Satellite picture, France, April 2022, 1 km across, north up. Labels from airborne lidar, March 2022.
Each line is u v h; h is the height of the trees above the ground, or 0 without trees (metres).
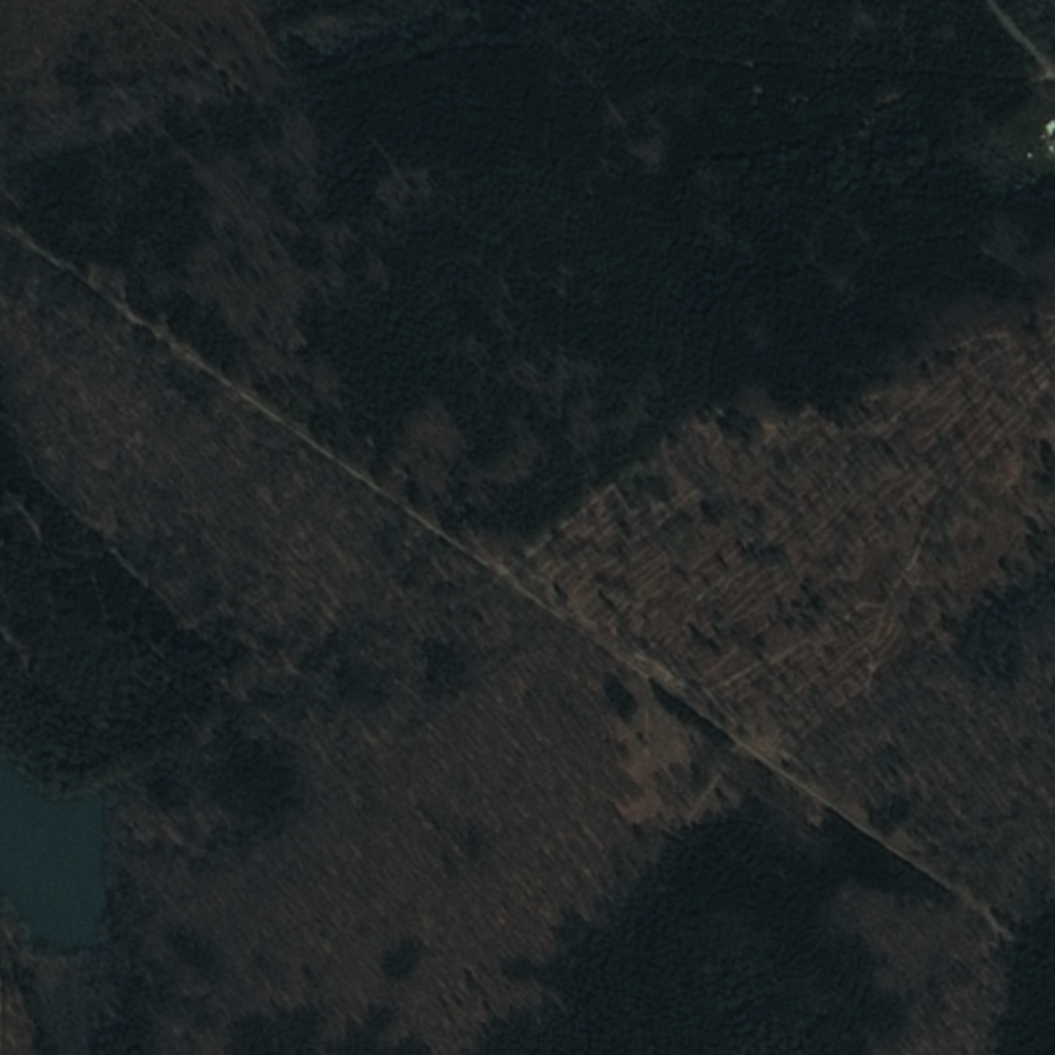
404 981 18
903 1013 22
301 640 27
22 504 30
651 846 26
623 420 20
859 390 22
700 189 24
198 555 27
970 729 32
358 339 27
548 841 26
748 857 17
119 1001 22
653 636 0
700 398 25
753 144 17
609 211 20
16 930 23
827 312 20
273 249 21
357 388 23
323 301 21
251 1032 21
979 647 27
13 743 29
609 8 21
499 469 17
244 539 29
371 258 25
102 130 23
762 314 19
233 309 17
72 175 25
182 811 20
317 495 26
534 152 20
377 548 25
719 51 20
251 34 17
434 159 20
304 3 23
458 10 20
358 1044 21
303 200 25
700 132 20
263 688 25
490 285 20
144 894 17
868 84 14
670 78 18
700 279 24
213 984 22
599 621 0
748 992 25
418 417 18
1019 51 25
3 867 0
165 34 11
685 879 16
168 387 25
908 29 17
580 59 17
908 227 23
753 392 18
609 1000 29
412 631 31
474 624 29
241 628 19
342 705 26
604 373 19
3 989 6
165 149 22
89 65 10
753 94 9
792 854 15
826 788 29
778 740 0
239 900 24
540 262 20
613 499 0
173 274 25
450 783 26
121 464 26
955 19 24
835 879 16
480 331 19
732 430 17
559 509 21
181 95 25
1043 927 20
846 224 20
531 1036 25
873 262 24
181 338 25
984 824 28
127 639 34
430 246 21
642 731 0
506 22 17
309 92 25
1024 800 31
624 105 18
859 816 0
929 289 17
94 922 0
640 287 27
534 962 23
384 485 28
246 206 23
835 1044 22
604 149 20
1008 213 26
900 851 0
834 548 0
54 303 25
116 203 21
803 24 21
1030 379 0
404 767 24
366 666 29
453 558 27
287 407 16
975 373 0
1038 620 35
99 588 8
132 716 27
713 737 23
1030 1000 24
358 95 22
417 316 21
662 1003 26
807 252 30
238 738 25
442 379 22
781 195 31
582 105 21
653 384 14
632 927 23
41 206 24
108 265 27
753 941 21
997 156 18
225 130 27
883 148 29
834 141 18
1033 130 0
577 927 31
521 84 18
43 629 23
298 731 25
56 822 0
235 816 23
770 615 0
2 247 26
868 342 21
